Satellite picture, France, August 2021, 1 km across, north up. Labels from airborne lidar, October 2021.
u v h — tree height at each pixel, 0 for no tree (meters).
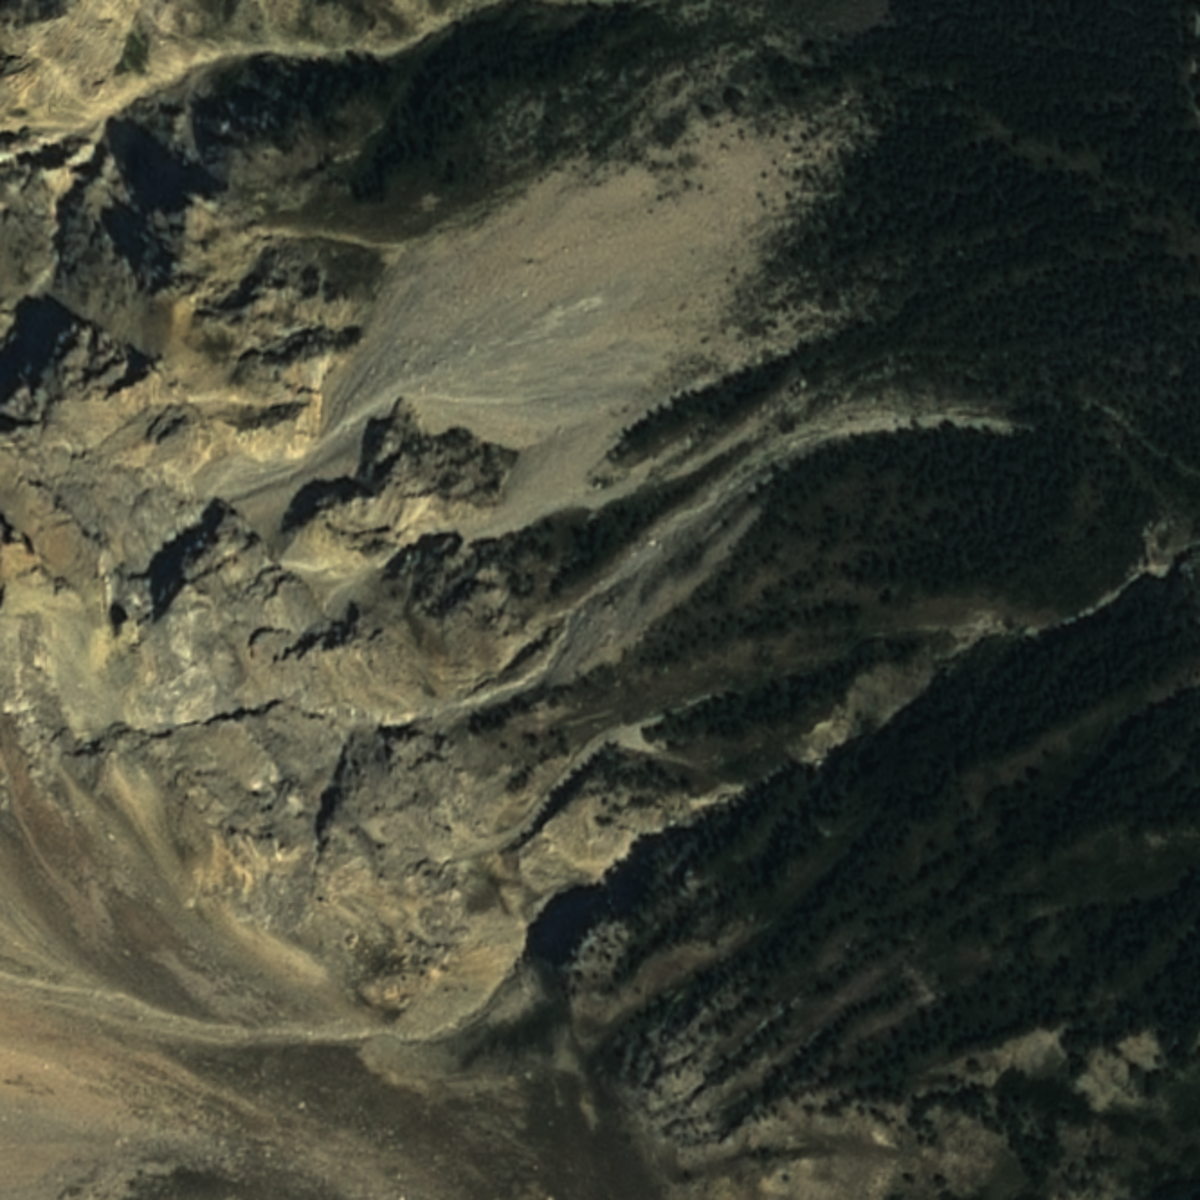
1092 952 8
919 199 15
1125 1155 0
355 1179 0
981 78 17
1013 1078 7
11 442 0
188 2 0
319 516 0
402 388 0
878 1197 0
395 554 0
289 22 0
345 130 12
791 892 0
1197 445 11
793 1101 7
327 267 0
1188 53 13
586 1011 0
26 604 0
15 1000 0
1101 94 14
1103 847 0
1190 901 19
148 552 0
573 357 0
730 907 8
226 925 0
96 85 0
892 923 6
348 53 0
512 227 0
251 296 0
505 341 0
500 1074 0
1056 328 13
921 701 6
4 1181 0
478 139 0
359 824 0
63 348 0
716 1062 0
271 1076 0
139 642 0
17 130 0
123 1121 0
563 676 0
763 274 0
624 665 0
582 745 0
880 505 13
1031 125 17
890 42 12
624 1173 0
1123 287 11
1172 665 10
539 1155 0
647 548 0
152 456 0
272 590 0
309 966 0
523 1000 0
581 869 0
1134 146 17
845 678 12
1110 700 13
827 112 0
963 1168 0
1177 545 0
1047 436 21
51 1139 0
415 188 0
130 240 0
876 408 0
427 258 0
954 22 12
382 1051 0
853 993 0
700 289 0
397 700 0
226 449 0
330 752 0
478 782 0
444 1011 0
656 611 0
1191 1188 5
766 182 0
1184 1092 0
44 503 0
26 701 0
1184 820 17
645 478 0
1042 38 14
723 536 0
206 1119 0
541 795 0
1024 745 14
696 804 0
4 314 0
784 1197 0
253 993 0
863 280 8
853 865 6
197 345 0
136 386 0
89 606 0
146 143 0
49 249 0
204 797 0
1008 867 8
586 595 0
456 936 0
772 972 13
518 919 0
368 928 0
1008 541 17
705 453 0
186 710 0
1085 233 12
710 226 0
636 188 0
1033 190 18
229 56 0
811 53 15
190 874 0
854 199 11
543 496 0
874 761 8
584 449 0
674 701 0
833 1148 0
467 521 0
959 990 0
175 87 0
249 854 0
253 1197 0
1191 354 12
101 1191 0
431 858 0
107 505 0
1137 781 15
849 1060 0
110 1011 0
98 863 0
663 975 0
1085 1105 6
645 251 0
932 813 13
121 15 0
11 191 0
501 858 0
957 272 8
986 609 0
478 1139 0
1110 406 7
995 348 6
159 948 0
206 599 0
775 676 0
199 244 0
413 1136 0
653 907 8
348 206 0
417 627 0
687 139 0
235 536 0
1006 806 13
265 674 0
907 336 6
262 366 0
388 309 0
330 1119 0
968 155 13
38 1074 0
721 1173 0
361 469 0
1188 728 14
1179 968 12
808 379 10
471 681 0
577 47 8
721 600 8
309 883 0
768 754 0
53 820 0
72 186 0
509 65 7
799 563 0
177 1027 0
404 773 0
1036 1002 11
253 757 0
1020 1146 24
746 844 17
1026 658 9
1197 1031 17
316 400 0
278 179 0
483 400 0
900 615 0
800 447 0
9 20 0
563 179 0
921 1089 0
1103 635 16
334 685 0
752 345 0
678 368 0
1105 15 12
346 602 0
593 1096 0
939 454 15
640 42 0
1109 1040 9
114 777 0
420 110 10
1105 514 7
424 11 0
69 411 0
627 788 6
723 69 0
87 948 0
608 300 0
